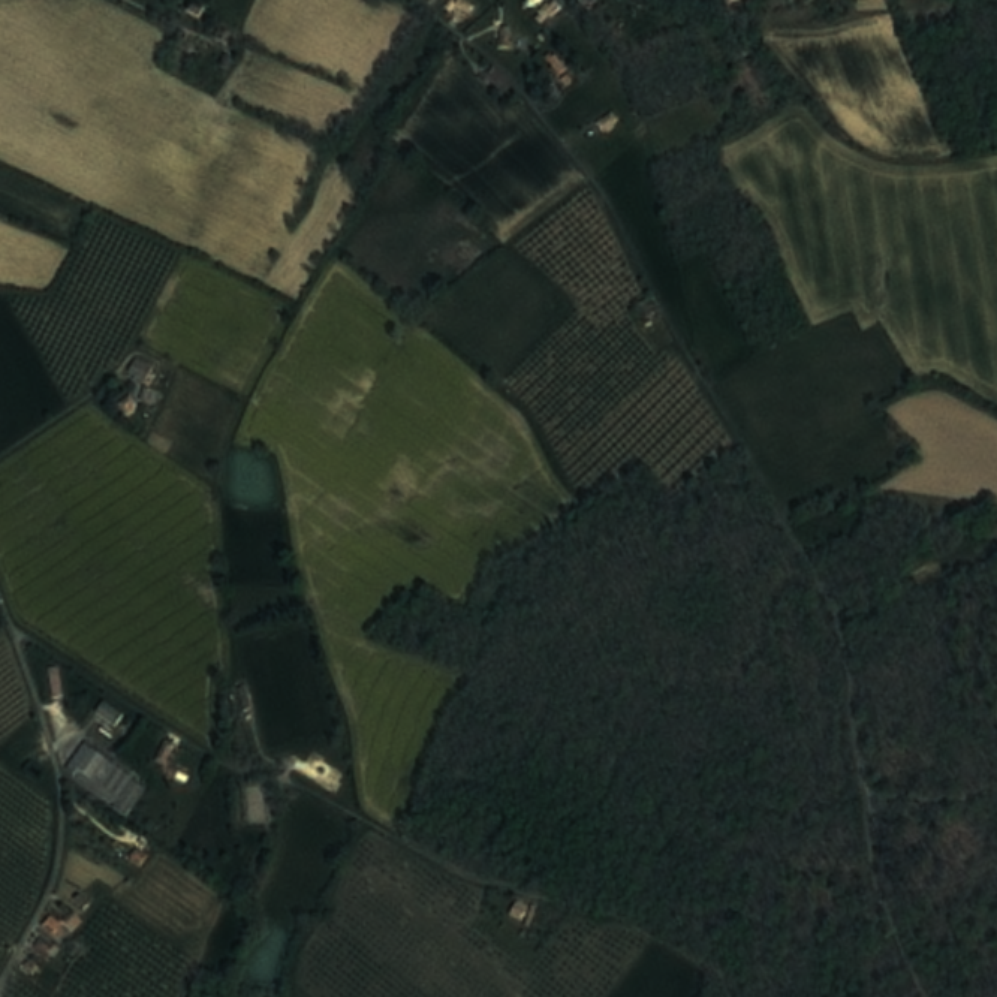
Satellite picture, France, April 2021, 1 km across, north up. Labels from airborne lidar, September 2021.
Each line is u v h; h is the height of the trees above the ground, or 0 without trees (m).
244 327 0
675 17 22
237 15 0
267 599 0
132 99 0
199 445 0
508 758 17
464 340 0
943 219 0
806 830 17
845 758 16
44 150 0
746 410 0
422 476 0
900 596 23
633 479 20
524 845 21
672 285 0
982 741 18
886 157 0
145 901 0
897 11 17
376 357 0
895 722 18
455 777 23
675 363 0
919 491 0
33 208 0
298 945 8
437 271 0
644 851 20
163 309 0
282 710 0
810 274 0
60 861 0
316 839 0
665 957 0
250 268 0
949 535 23
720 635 21
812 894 21
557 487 0
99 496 0
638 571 17
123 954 6
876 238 0
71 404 0
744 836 20
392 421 0
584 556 22
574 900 21
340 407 0
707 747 20
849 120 0
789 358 0
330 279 0
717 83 18
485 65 8
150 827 8
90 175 0
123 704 0
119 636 0
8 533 0
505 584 12
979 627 9
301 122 12
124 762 8
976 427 0
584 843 27
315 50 0
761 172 0
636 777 21
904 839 15
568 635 17
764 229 13
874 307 0
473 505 0
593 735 22
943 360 0
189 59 15
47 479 0
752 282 15
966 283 0
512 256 0
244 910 20
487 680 21
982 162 0
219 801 0
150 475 0
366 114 16
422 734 0
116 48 0
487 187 0
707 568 18
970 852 15
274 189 0
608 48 19
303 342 0
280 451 0
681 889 19
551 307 0
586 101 0
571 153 0
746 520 17
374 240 0
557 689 20
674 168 16
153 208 0
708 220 7
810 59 0
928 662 14
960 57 22
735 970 19
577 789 24
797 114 0
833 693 19
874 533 14
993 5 18
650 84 19
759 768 21
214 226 0
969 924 14
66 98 0
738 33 20
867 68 0
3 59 0
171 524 0
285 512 0
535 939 9
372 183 15
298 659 0
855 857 17
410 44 23
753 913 20
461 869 17
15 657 0
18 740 0
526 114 0
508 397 0
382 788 0
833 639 12
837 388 0
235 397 0
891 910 19
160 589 0
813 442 0
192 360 0
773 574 20
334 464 0
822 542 9
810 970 22
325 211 0
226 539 0
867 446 0
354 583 0
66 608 0
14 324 0
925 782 14
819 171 0
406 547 0
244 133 0
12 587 0
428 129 0
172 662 0
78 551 0
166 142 0
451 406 0
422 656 18
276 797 22
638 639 19
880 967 14
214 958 0
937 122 19
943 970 18
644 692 18
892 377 0
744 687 20
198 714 0
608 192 0
